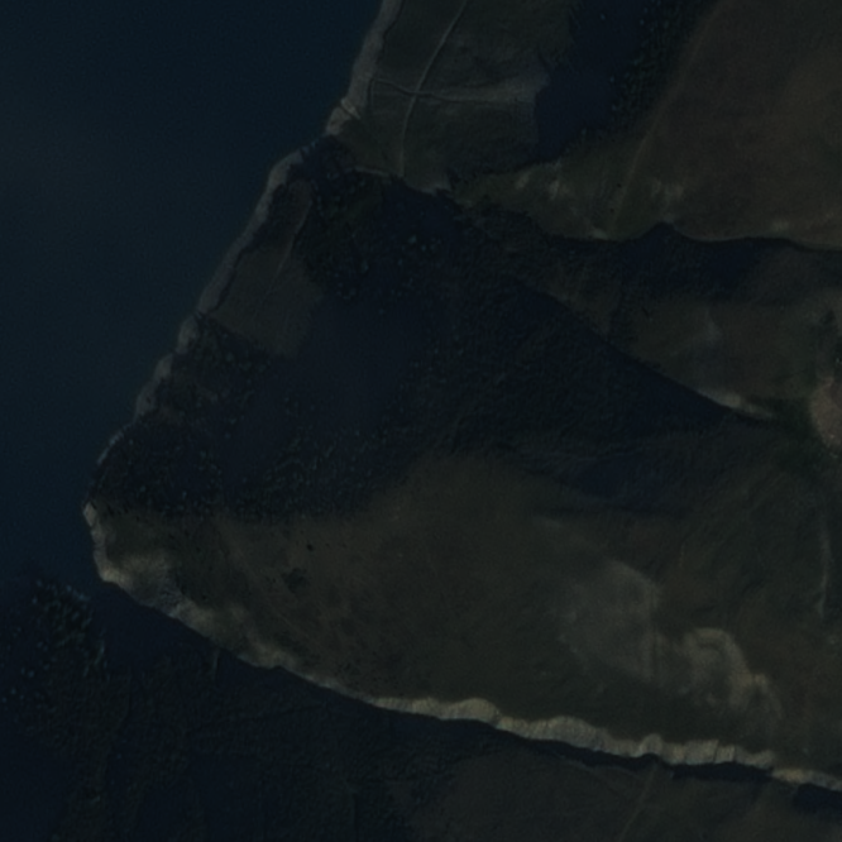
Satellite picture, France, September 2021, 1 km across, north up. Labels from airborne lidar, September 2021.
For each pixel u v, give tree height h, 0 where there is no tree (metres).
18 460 0
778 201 0
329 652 0
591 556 0
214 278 0
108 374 0
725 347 0
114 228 0
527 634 0
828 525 0
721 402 0
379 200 0
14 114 0
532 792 0
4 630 0
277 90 0
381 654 0
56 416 0
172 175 0
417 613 0
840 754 0
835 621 0
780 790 0
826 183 0
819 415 0
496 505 0
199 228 0
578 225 0
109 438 0
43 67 0
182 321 0
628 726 0
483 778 0
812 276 0
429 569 0
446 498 0
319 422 6
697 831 0
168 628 0
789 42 0
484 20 0
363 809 5
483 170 0
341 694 0
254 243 0
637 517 0
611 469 0
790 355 0
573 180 0
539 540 0
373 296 13
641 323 0
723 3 0
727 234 0
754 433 0
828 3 0
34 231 0
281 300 0
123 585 0
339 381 0
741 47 0
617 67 0
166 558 0
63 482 0
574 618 0
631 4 0
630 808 0
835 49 0
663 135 0
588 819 0
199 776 6
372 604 0
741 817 0
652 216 0
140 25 0
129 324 0
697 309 0
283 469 7
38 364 0
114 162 0
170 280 0
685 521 0
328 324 0
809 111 0
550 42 0
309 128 0
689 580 0
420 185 0
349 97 0
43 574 0
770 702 0
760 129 0
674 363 0
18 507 0
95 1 0
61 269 0
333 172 0
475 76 0
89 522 0
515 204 0
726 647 0
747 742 0
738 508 0
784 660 0
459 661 0
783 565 0
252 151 0
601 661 0
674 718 0
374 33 0
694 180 0
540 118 0
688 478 0
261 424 7
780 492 0
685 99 0
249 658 0
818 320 0
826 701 0
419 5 0
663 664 0
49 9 0
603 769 0
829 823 0
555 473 0
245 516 6
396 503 0
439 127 0
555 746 0
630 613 0
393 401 9
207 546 0
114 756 6
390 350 0
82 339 0
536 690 0
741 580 0
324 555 0
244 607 0
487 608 0
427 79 0
